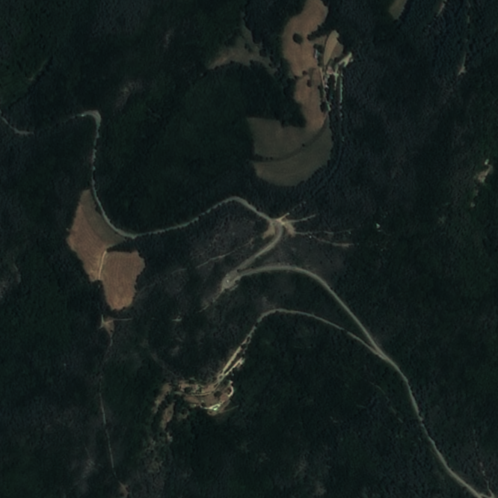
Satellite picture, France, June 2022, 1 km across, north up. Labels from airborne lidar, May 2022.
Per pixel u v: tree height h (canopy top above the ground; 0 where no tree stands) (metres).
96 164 13
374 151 11
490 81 21
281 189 13
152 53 9
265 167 0
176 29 8
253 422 14
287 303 12
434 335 9
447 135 18
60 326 18
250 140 10
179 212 13
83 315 17
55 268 18
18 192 17
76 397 11
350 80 14
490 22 17
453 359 7
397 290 11
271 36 18
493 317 8
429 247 13
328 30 12
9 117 17
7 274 10
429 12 32
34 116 17
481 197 19
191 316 9
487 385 21
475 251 15
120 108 10
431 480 10
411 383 11
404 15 9
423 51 17
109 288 0
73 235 0
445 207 14
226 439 19
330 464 9
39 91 20
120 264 0
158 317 10
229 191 9
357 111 10
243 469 14
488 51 19
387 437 13
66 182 11
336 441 17
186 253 7
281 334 12
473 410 12
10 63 6
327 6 11
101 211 10
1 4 22
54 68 23
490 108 13
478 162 18
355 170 13
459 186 19
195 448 23
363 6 20
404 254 11
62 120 15
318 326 8
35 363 19
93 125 7
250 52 8
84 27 15
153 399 6
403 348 10
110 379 8
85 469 0
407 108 14
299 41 14
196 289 6
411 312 8
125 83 9
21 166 20
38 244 18
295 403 18
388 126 12
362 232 6
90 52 13
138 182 16
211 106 11
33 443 11
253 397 6
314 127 0
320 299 8
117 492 7
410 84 15
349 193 9
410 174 14
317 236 8
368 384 9
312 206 12
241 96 11
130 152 15
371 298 10
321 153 0
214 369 12
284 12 17
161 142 16
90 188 11
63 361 13
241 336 7
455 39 30
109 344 9
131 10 15
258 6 18
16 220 19
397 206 12
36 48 21
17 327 17
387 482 14
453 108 14
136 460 9
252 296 10
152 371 13
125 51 9
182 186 16
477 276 17
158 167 16
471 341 9
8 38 16
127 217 15
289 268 0
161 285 8
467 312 8
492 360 16
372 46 13
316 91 0
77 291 18
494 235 21
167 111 15
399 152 14
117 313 9
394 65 19
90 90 9
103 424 9
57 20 16
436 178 18
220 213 11
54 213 14
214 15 17
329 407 10
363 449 20
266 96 20
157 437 9
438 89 13
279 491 15
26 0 19
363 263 7
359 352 9
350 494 8
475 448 8
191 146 15
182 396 8
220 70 18
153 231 11
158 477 13
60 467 10
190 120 15
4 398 17
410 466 15
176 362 8
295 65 0
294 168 0
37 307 16
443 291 9
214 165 11
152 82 18
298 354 7
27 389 17
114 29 17
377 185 12
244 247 6
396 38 22
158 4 14
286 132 0
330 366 17
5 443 9
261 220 7
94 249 0
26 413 11
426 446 13
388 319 10
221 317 13
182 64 11
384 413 11
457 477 0
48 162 20
